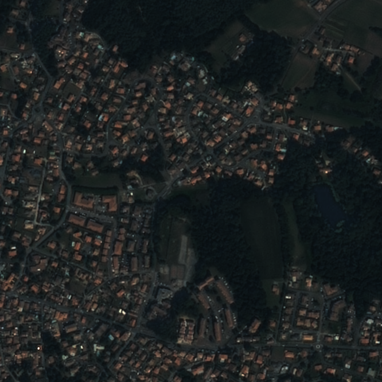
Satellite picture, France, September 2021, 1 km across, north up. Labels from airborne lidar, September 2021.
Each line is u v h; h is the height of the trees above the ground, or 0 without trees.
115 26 22
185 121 0
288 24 0
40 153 0
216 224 20
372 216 32
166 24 9
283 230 10
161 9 12
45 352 12
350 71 8
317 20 0
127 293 0
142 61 25
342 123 0
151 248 9
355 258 23
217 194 23
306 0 0
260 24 0
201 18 20
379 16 0
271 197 15
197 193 0
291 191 26
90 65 0
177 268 0
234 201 25
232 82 20
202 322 0
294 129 0
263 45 17
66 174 8
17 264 10
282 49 26
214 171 9
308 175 27
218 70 0
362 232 33
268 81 22
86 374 8
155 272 0
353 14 0
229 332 0
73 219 0
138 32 24
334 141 11
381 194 21
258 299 28
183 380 10
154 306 0
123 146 0
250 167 0
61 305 6
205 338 0
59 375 14
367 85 11
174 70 8
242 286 21
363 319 0
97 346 0
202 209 9
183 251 0
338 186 28
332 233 9
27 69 0
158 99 0
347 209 7
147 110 10
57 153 7
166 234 0
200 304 6
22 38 15
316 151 10
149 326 14
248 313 21
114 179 0
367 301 11
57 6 0
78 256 0
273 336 6
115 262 0
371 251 23
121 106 0
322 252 27
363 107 0
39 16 27
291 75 0
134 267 0
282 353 0
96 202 0
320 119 0
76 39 6
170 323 25
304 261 0
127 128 8
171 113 8
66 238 0
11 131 0
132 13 7
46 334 9
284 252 12
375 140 13
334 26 0
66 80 0
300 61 0
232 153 6
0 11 17
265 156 8
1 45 0
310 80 0
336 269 28
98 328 0
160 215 22
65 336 17
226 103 6
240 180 10
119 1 26
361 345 6
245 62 14
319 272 17
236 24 0
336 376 7
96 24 15
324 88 10
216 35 12
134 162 22
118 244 0
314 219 25
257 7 0
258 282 23
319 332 0
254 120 0
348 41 0
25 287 0
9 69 0
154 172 25
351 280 18
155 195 0
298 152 19
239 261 22
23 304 0
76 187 8
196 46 19
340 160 11
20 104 13
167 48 21
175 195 0
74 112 14
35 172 0
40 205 7
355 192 7
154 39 14
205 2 27
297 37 0
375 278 16
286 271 8
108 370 14
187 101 9
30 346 13
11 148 0
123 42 25
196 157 9
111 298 6
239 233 24
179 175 0
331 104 0
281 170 18
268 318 9
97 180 0
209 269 0
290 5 0
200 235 20
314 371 0
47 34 23
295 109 0
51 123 0
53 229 0
